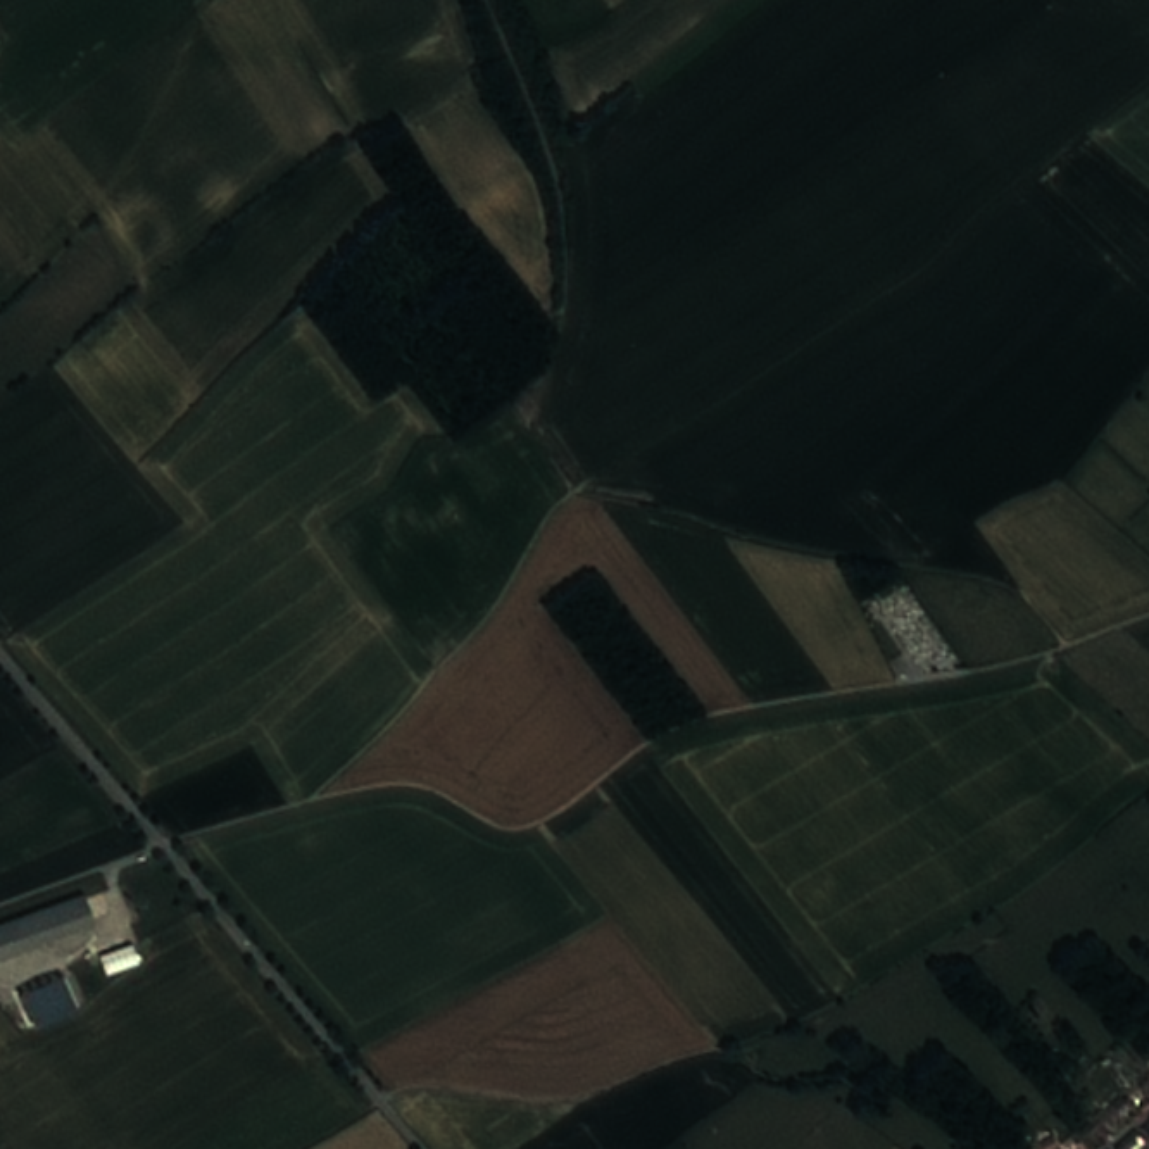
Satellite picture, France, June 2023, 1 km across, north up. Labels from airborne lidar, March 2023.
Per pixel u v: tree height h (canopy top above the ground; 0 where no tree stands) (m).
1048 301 0
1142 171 0
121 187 0
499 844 0
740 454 0
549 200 5
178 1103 0
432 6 0
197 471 0
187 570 0
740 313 0
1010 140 0
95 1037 0
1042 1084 10
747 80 0
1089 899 0
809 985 0
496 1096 0
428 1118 0
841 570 6
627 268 0
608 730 0
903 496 0
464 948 0
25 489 0
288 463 0
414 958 0
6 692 0
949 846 0
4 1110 0
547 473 0
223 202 0
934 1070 25
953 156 0
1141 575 0
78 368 0
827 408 0
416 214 8
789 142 0
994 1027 20
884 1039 0
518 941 0
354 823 0
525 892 0
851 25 0
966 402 0
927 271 0
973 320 0
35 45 0
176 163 0
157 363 0
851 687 0
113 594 0
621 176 0
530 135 6
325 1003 0
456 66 0
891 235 0
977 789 0
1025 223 0
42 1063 0
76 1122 0
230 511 0
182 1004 0
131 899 0
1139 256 0
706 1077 0
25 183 0
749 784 0
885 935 0
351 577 0
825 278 0
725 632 0
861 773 0
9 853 0
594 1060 0
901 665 0
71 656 0
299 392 0
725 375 0
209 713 0
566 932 0
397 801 0
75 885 0
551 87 13
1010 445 0
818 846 0
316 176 0
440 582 0
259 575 0
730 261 0
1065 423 0
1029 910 0
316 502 0
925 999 0
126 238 0
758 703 0
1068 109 0
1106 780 0
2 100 0
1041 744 0
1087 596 0
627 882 0
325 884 0
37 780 0
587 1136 0
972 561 0
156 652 0
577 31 0
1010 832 0
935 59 0
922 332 0
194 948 0
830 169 0
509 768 0
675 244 0
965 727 0
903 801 0
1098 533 0
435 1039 0
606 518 0
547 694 0
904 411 0
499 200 0
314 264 0
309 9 0
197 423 0
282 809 0
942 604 0
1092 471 0
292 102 0
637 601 0
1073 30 0
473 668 0
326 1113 0
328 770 0
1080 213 0
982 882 0
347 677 0
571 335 0
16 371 0
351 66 0
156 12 0
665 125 0
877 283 0
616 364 0
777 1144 0
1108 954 22
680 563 0
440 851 0
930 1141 0
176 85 0
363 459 0
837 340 0
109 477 0
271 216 0
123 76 0
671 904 0
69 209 0
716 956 0
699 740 0
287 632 0
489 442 0
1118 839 0
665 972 0
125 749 0
